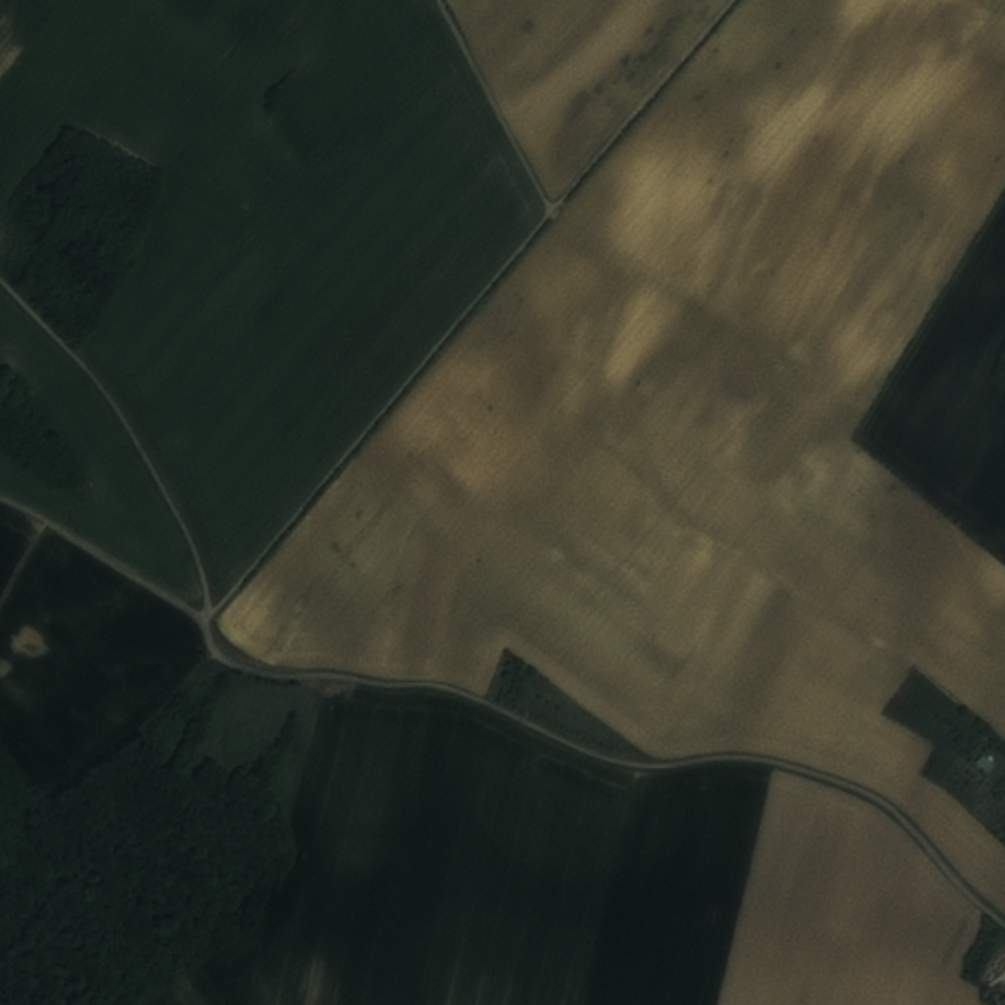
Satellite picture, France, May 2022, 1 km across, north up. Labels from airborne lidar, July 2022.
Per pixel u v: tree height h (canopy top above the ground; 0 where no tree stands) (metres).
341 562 0
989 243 0
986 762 0
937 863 0
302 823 0
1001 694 0
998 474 0
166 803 17
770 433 0
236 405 0
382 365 0
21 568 0
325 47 0
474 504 0
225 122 0
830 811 0
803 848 0
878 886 0
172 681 0
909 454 0
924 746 0
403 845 0
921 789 0
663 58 0
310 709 0
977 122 0
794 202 0
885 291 0
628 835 0
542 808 0
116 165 16
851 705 0
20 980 19
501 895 0
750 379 0
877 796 0
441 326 0
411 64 0
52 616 0
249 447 0
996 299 0
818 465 0
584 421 0
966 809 0
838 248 0
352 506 0
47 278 16
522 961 0
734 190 0
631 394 0
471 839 0
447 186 0
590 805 0
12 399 18
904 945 0
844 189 0
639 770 0
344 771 0
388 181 0
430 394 0
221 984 0
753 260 0
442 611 0
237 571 0
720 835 0
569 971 0
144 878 20
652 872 0
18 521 0
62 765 0
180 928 22
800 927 0
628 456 0
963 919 0
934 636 0
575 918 0
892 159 0
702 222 0
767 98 0
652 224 0
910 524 0
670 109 0
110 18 0
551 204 0
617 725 0
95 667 0
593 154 0
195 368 0
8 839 11
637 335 0
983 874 0
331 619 0
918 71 0
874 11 0
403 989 0
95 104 0
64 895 17
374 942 0
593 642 0
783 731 0
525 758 0
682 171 0
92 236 17
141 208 16
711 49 0
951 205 0
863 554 0
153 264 0
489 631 0
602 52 0
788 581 0
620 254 0
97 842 20
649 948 0
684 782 0
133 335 0
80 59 0
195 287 0
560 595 0
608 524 0
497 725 0
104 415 0
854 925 0
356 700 0
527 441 0
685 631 0
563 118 0
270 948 0
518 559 0
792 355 0
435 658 0
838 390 0
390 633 0
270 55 0
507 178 0
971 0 0
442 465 0
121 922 17
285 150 0
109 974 17
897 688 0
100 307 17
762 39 0
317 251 0
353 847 0
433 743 0
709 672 0
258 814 22
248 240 0
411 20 0
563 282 0
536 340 0
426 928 0
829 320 0
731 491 0
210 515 0
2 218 0
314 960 0
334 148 0
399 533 0
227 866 20
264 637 0
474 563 0
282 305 0
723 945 0
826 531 0
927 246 0
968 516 0
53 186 10
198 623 0
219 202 0
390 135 0
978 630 0
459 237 0
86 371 0
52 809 17
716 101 0
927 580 0
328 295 0
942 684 0
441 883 0
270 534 0
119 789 22
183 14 0
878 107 0
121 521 0
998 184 0
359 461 0
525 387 0
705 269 0
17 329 0
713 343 0
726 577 0
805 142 0
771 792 0
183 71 0
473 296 0
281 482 0
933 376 0
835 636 0
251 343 0
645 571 0
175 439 0
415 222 0
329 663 0
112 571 0
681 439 0
